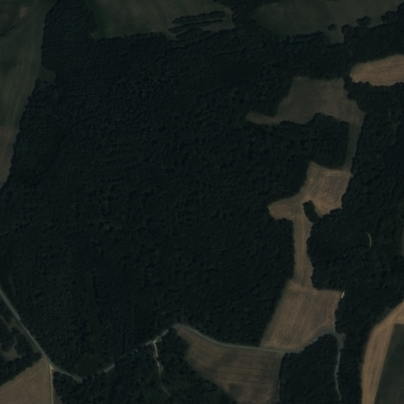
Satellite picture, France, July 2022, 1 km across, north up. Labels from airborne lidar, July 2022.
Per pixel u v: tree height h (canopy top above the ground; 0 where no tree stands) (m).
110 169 10
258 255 18
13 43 0
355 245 8
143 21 0
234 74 11
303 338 0
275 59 24
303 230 0
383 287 19
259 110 21
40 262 18
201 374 0
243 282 10
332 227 19
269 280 21
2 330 18
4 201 19
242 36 19
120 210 19
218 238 20
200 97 17
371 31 16
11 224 18
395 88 10
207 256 19
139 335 9
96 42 15
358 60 16
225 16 10
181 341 22
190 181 19
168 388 18
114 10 0
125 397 26
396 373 0
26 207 20
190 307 21
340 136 22
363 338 26
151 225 24
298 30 0
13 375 17
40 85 29
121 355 18
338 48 20
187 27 12
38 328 15
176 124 25
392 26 18
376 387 0
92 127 17
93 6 0
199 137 24
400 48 22
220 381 0
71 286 16
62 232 22
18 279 20
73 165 20
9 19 0
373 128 23
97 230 20
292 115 0
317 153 26
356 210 17
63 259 19
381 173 24
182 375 20
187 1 0
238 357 0
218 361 0
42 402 0
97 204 21
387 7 0
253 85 20
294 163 19
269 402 0
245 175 20
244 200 18
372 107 17
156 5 0
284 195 21
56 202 21
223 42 22
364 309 22
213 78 11
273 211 0
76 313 24
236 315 19
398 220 22
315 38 21
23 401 0
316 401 17
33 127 26
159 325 16
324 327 0
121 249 20
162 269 23
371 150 20
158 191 19
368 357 0
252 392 0
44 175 19
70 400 23
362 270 22
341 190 0
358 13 0
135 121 21
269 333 0
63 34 13
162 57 11
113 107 18
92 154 18
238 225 19
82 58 14
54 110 17
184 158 6
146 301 20
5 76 0
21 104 0
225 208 16
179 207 22
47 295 19
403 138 23
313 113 0
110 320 21
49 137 25
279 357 0
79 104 13
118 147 17
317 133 25
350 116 0
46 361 0
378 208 23
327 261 7
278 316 0
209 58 21
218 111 23
